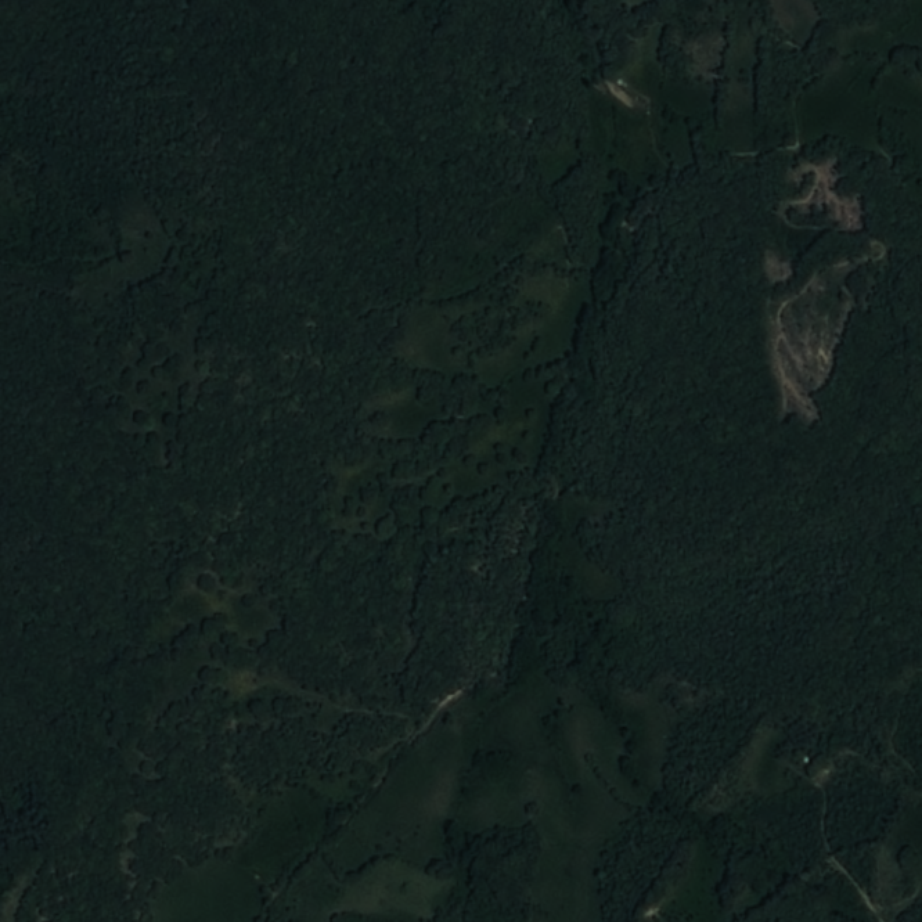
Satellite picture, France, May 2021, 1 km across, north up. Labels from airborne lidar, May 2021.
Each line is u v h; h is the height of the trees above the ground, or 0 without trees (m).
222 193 6
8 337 13
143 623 15
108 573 11
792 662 8
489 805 0
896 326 6
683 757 7
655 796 8
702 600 8
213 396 8
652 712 0
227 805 8
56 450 13
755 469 13
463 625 8
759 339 14
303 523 10
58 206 7
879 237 18
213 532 10
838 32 12
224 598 7
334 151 14
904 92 0
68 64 14
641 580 14
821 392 10
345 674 9
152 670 12
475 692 9
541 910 6
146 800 13
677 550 8
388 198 12
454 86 11
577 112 11
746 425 9
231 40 10
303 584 14
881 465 10
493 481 0
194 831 7
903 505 9
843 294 11
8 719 16
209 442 8
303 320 13
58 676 15
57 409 9
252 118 7
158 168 7
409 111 9
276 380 11
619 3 14
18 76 13
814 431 11
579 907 0
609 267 21
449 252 7
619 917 7
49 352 13
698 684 8
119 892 13
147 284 13
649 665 8
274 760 10
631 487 7
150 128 8
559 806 0
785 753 8
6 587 15
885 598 13
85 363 9
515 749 0
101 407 13
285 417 6
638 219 13
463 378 13
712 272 16
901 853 9
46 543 10
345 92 15
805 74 8
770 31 10
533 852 16
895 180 16
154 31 11
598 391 12
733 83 10
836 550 8
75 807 11
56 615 14
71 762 12
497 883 20
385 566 17
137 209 0
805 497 9
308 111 16
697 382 11
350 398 8
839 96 0
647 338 17
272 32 14
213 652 12
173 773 10
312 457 12
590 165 13
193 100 9
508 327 10
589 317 23
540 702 0
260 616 0
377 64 16
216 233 7
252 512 7
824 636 7
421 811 0
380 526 13
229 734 7
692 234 17
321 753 7
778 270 0
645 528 15
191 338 0
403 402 0
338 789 0
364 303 10
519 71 16
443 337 0
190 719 7
